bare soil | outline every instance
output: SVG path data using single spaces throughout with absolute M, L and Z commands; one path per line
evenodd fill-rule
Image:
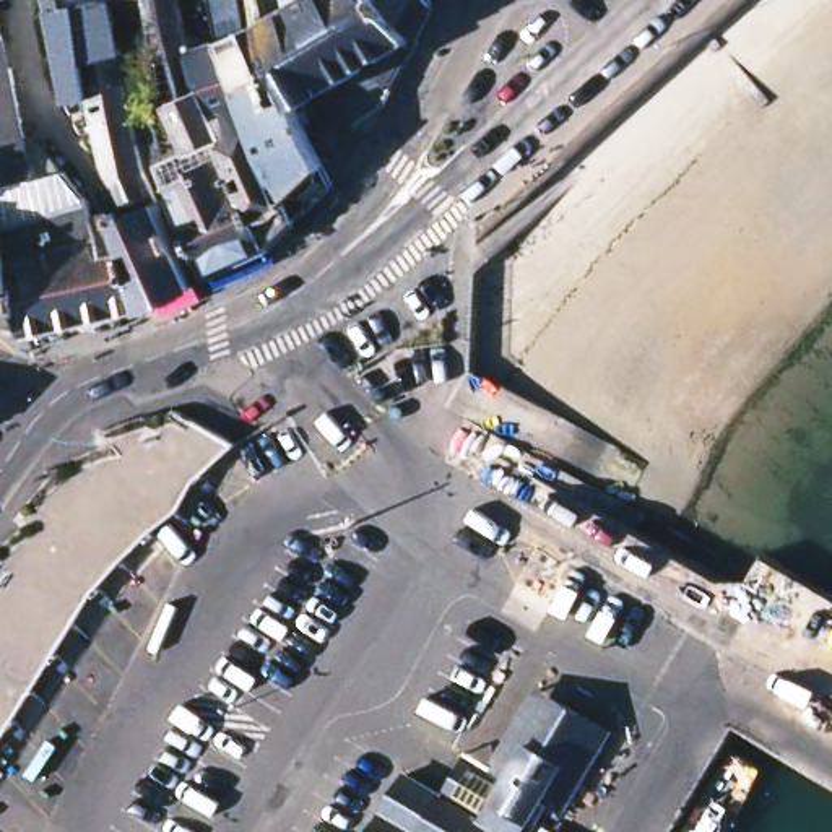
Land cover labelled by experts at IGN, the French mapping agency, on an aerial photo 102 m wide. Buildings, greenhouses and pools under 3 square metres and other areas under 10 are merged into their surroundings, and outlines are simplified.
M 566 182 L 559 182 L 566 189 L 566 198 L 556 205 L 556 211 L 530 234 L 520 254 L 507 260 L 507 270 L 488 257 L 475 273 L 471 293 L 471 374 L 566 419 L 582 436 L 601 442 L 601 465 L 592 475 L 631 484 L 640 491 L 640 497 L 683 510 L 731 413 L 744 403 L 744 397 L 764 380 L 764 374 L 787 354 L 787 348 L 819 319 L 819 312 L 832 299 L 832 0 L 757 0 L 725 33 L 725 46 L 709 46 L 624 127 L 618 127 Z

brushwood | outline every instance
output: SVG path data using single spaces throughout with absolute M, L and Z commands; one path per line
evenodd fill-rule
M 140 49 L 133 46 L 124 59 L 127 124 L 163 124 L 159 107 L 153 107 L 153 42 L 143 39 Z

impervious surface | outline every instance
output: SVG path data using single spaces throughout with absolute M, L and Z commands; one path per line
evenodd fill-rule
M 114 163 L 127 189 L 127 198 L 146 198 L 140 169 L 146 169 L 156 156 L 166 156 L 172 146 L 163 124 L 127 124 L 124 59 L 114 55 L 107 62 L 88 62 L 81 7 L 88 0 L 55 0 L 68 13 L 81 94 L 104 98 Z
M 176 517 L 153 523 L 146 540 L 101 582 L 101 588 L 91 595 L 91 601 L 81 608 L 78 621 L 65 634 L 52 663 L 39 676 L 36 689 L 16 712 L 13 725 L 0 738 L 0 832 L 348 832 L 345 822 L 361 819 L 361 813 L 371 803 L 371 793 L 390 767 L 406 777 L 426 764 L 465 761 L 497 780 L 510 761 L 530 754 L 530 741 L 549 744 L 566 718 L 566 709 L 553 702 L 553 683 L 562 676 L 624 683 L 631 689 L 637 722 L 624 728 L 621 751 L 601 770 L 598 787 L 585 793 L 579 809 L 569 809 L 566 822 L 553 822 L 546 832 L 670 832 L 728 735 L 744 738 L 783 767 L 832 793 L 832 601 L 770 569 L 767 562 L 754 562 L 744 546 L 699 527 L 683 510 L 640 497 L 640 491 L 631 484 L 592 475 L 601 465 L 601 442 L 582 436 L 566 419 L 471 374 L 471 293 L 475 273 L 488 257 L 507 270 L 507 260 L 520 254 L 530 234 L 556 211 L 556 205 L 566 198 L 566 189 L 559 182 L 566 182 L 618 127 L 624 127 L 709 46 L 725 46 L 725 33 L 757 0 L 374 0 L 380 20 L 393 33 L 400 33 L 400 49 L 393 52 L 397 68 L 367 78 L 358 104 L 335 117 L 332 130 L 325 133 L 332 156 L 325 163 L 309 159 L 309 176 L 283 198 L 286 228 L 273 241 L 270 254 L 244 254 L 241 263 L 221 267 L 215 273 L 202 273 L 198 263 L 182 263 L 189 293 L 179 293 L 176 299 L 163 302 L 159 319 L 94 319 L 94 328 L 85 335 L 78 332 L 78 325 L 62 325 L 62 335 L 33 332 L 33 322 L 26 319 L 20 335 L 0 328 L 0 546 L 13 553 L 20 543 L 42 533 L 39 507 L 49 501 L 55 484 L 75 478 L 88 462 L 120 455 L 111 445 L 94 449 L 94 432 L 127 436 L 137 429 L 192 419 L 211 429 L 215 436 L 228 439 L 228 452 L 189 488 Z
M 179 46 L 215 42 L 215 0 L 150 0 L 156 20 L 140 23 L 143 39 L 153 42 L 153 107 L 159 107 L 176 104 L 179 111 L 185 101 L 192 101 Z
M 85 124 L 72 124 L 65 111 L 55 104 L 55 85 L 39 20 L 42 0 L 0 0 L 0 36 L 10 62 L 7 78 L 16 78 L 16 98 L 26 133 L 26 143 L 20 150 L 0 146 L 0 192 L 29 179 L 42 179 L 46 166 L 52 163 L 91 215 L 114 218 L 120 208 L 94 169 Z

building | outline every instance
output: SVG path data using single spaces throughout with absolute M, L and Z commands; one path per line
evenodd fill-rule
M 549 744 L 530 741 L 530 754 L 510 761 L 497 780 L 465 761 L 426 764 L 406 777 L 390 767 L 371 793 L 371 803 L 361 813 L 361 819 L 345 822 L 348 832 L 546 832 L 553 822 L 566 822 L 569 809 L 579 809 L 585 793 L 598 787 L 601 770 L 621 751 L 624 728 L 637 722 L 631 689 L 624 683 L 562 676 L 553 683 L 553 702 L 566 709 L 566 718 Z
M 101 0 L 88 0 L 81 7 L 88 62 L 107 62 L 114 55 L 111 16 L 107 3 Z
M 140 23 L 156 20 L 150 0 L 140 0 Z
M 182 263 L 198 263 L 202 273 L 215 273 L 221 267 L 241 263 L 244 254 L 270 254 L 273 241 L 286 228 L 283 198 L 309 176 L 309 159 L 325 163 L 332 156 L 325 133 L 332 130 L 335 117 L 358 104 L 367 78 L 397 68 L 393 52 L 400 49 L 400 33 L 393 33 L 380 20 L 374 0 L 215 0 L 215 42 L 179 46 L 192 101 L 185 101 L 179 111 L 176 104 L 159 107 L 163 124 L 172 146 L 166 156 L 156 156 L 146 169 L 140 169 L 146 198 L 127 198 L 127 189 L 114 163 L 104 98 L 81 94 L 68 13 L 55 0 L 42 0 L 39 20 L 55 85 L 55 104 L 65 111 L 72 124 L 85 124 L 94 169 L 120 208 L 114 218 L 91 215 L 52 163 L 46 166 L 42 179 L 29 179 L 0 192 L 0 328 L 20 335 L 26 319 L 33 322 L 33 332 L 62 335 L 62 325 L 78 325 L 78 332 L 85 335 L 94 328 L 94 319 L 159 319 L 163 302 L 176 299 L 179 293 L 189 293 Z
M 111 445 L 120 455 L 88 462 L 75 478 L 55 484 L 49 501 L 39 507 L 42 533 L 20 543 L 13 553 L 0 546 L 0 738 L 13 725 L 16 712 L 36 689 L 39 676 L 52 663 L 65 634 L 78 621 L 81 608 L 91 601 L 91 595 L 101 588 L 101 582 L 146 540 L 153 523 L 176 517 L 189 488 L 228 452 L 228 439 L 215 436 L 211 429 L 192 419 L 137 429 L 127 436 L 94 432 L 94 449 Z
M 26 143 L 26 133 L 16 98 L 16 78 L 7 78 L 10 62 L 0 36 L 0 146 L 20 150 Z

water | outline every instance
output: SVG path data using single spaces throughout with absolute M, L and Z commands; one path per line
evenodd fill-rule
M 670 832 L 832 832 L 832 793 L 783 767 L 744 738 L 728 735 Z
M 787 348 L 787 354 L 764 374 L 764 380 L 744 397 L 744 403 L 731 413 L 683 510 L 699 527 L 744 546 L 754 562 L 767 562 L 770 569 L 832 601 L 832 299 L 819 312 L 819 319 Z

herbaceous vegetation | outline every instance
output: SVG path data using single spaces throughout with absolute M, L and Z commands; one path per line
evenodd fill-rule
M 107 3 L 111 16 L 114 55 L 124 59 L 133 46 L 140 49 L 143 39 L 140 23 L 140 0 L 101 0 Z

